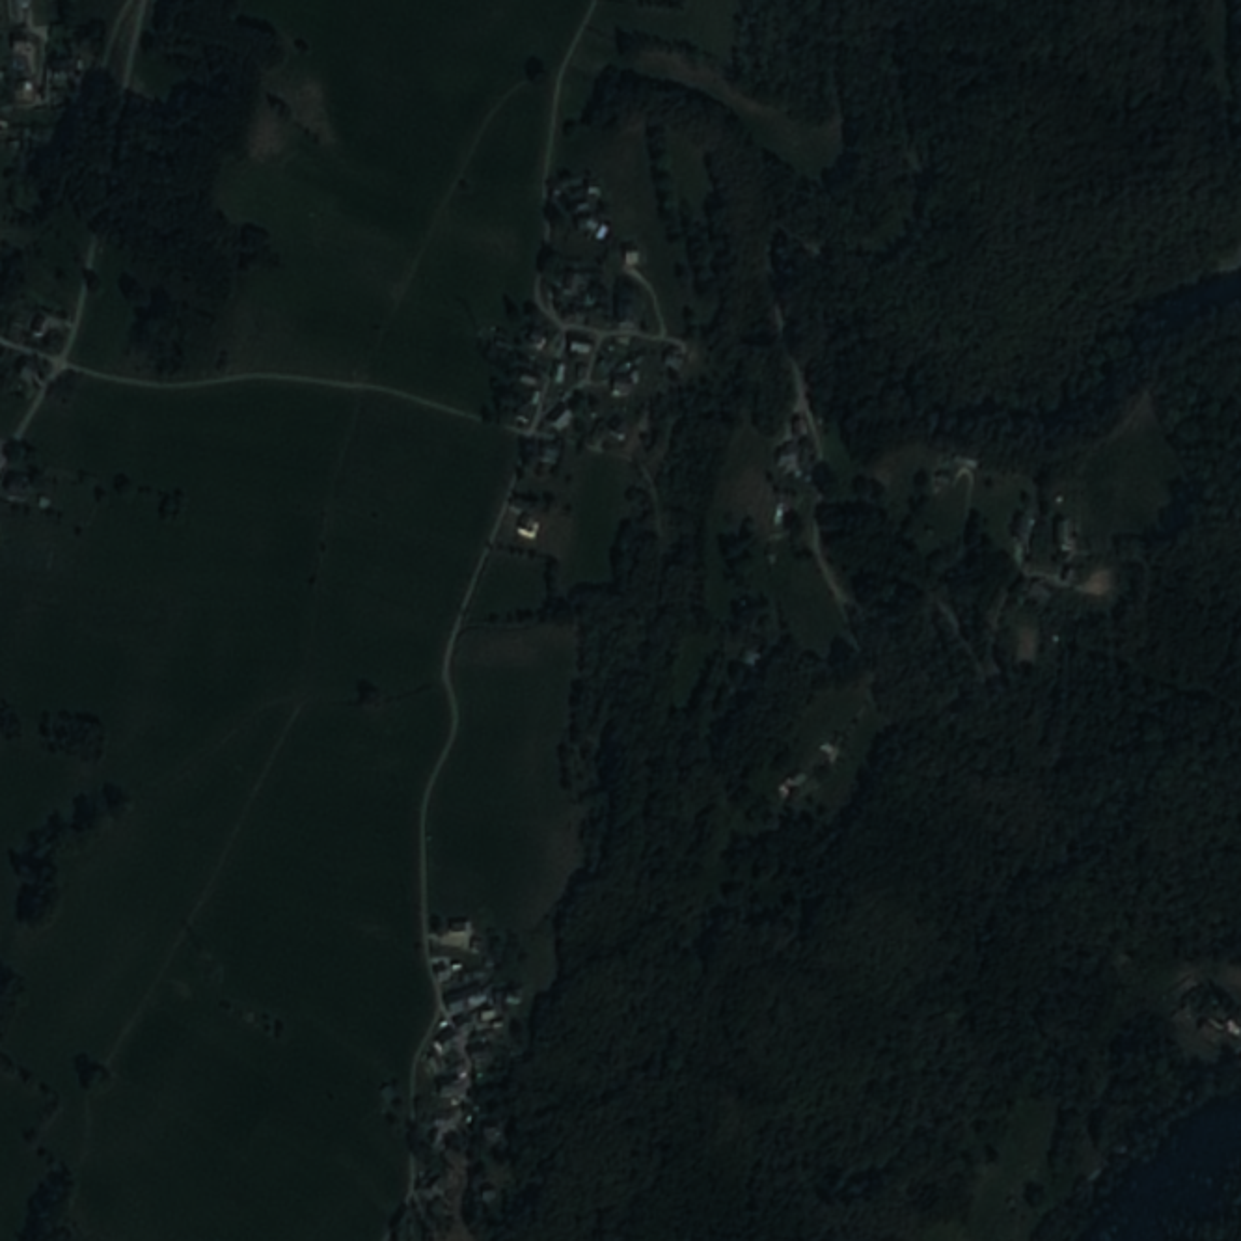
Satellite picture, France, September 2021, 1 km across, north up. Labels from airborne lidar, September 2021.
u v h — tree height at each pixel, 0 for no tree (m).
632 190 0
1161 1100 13
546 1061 21
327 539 0
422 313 0
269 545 0
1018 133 20
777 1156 34
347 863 0
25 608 0
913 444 13
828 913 19
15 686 0
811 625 0
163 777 0
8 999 19
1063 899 28
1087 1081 34
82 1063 0
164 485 0
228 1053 0
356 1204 0
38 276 0
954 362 14
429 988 0
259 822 0
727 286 14
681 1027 23
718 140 21
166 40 10
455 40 0
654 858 20
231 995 0
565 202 7
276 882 0
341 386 0
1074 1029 25
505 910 0
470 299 0
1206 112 19
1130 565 13
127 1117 0
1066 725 19
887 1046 21
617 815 28
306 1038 0
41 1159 8
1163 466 0
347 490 0
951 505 0
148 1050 0
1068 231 23
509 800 0
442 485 0
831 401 22
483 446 0
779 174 22
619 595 14
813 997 22
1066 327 22
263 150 0
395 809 0
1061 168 24
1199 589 17
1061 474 18
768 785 0
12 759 0
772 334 11
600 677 16
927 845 24
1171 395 24
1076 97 18
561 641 0
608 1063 27
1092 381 36
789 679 20
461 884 0
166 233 20
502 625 8
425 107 0
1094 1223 8
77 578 0
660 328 0
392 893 0
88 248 0
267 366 0
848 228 18
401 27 0
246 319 0
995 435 24
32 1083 11
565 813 0
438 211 0
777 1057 19
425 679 0
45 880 17
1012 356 16
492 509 0
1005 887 18
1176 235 13
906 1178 25
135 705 0
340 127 0
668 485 10
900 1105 30
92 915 0
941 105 26
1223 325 19
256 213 0
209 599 0
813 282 36
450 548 0
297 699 0
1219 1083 20
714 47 0
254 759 0
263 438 0
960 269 14
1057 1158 10
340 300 0
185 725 0
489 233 0
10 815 0
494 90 0
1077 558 0
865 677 14
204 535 0
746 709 18
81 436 0
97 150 23
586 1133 24
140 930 0
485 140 0
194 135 13
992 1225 0
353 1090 0
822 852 16
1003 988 26
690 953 11
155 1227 0
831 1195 10
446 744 0
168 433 0
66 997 0
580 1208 30
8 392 6
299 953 0
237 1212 0
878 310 21
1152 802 22
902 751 8
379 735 0
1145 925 30
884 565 23
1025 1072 30
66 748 6
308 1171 0
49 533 0
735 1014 19
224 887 0
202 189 23
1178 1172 28
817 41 27
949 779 26
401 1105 8
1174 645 17
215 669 0
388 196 0
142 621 0
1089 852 7
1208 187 21
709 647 0
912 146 21
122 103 15
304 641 0
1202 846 22
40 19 0
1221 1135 19
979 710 21
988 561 16
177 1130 0
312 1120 0
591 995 21
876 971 21
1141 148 16
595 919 21
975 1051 21
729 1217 18
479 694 0
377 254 0
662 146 16
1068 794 20
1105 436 20
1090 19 22
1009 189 20
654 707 24
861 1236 26
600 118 21
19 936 0
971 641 17
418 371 0
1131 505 0
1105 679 25
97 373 0
